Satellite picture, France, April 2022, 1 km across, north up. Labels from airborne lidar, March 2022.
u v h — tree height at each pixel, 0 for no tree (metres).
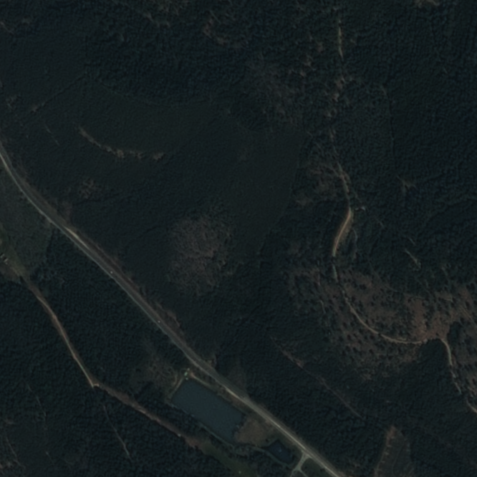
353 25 21
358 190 10
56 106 13
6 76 10
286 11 8
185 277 16
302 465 0
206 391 0
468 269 9
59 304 23
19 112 9
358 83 15
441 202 25
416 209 23
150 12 15
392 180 20
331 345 33
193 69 14
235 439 7
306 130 14
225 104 12
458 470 20
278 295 13
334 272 24
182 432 29
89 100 15
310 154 13
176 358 24
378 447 23
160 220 15
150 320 17
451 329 9
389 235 16
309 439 26
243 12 10
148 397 13
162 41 15
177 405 0
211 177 17
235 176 18
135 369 20
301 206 9
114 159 12
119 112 14
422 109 25
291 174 16
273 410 23
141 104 14
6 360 19
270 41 14
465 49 21
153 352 20
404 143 26
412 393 16
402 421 19
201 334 20
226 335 20
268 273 18
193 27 7
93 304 21
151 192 16
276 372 23
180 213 16
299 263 6
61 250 21
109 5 26
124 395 9
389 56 23
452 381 12
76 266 25
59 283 23
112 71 15
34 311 20
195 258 15
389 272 10
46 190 10
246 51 7
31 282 0
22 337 16
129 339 24
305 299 29
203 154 17
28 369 15
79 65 16
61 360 23
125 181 16
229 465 0
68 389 21
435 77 29
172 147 12
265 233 22
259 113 14
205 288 19
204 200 16
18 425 15
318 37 13
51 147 8
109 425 25
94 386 0
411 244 16
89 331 22
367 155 24
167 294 17
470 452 12
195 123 16
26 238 19
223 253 21
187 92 11
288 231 14
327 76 11
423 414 16
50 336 18
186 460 27
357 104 18
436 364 11
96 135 12
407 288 14
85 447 28
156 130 12
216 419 0
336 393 14
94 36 15
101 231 17
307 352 6
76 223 18
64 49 16
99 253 17
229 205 17
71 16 16
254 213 20
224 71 7
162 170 14
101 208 18
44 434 15
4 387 24
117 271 15
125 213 16
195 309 20
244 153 14
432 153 25
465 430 12
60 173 10
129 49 20
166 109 13
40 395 15
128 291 0
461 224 9
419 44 16
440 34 30
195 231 25
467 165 21
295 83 19
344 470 15
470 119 17
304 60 11
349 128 23
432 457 18
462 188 20
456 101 22
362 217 13
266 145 15
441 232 7
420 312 0
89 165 14
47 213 0
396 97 19
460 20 28
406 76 20
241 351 29
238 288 17
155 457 25
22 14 7
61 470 20
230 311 20
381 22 27
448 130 24
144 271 18
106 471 27
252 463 13
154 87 15
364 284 0
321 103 22
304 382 25
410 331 6
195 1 13
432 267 11
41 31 17
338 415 16
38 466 16
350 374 9
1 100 11
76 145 14
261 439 0
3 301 16
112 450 26
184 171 17
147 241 19
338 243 0
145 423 27
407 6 30
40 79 11
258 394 28
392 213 24
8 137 10
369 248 16
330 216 14
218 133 15
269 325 20
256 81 15
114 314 23
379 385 9
